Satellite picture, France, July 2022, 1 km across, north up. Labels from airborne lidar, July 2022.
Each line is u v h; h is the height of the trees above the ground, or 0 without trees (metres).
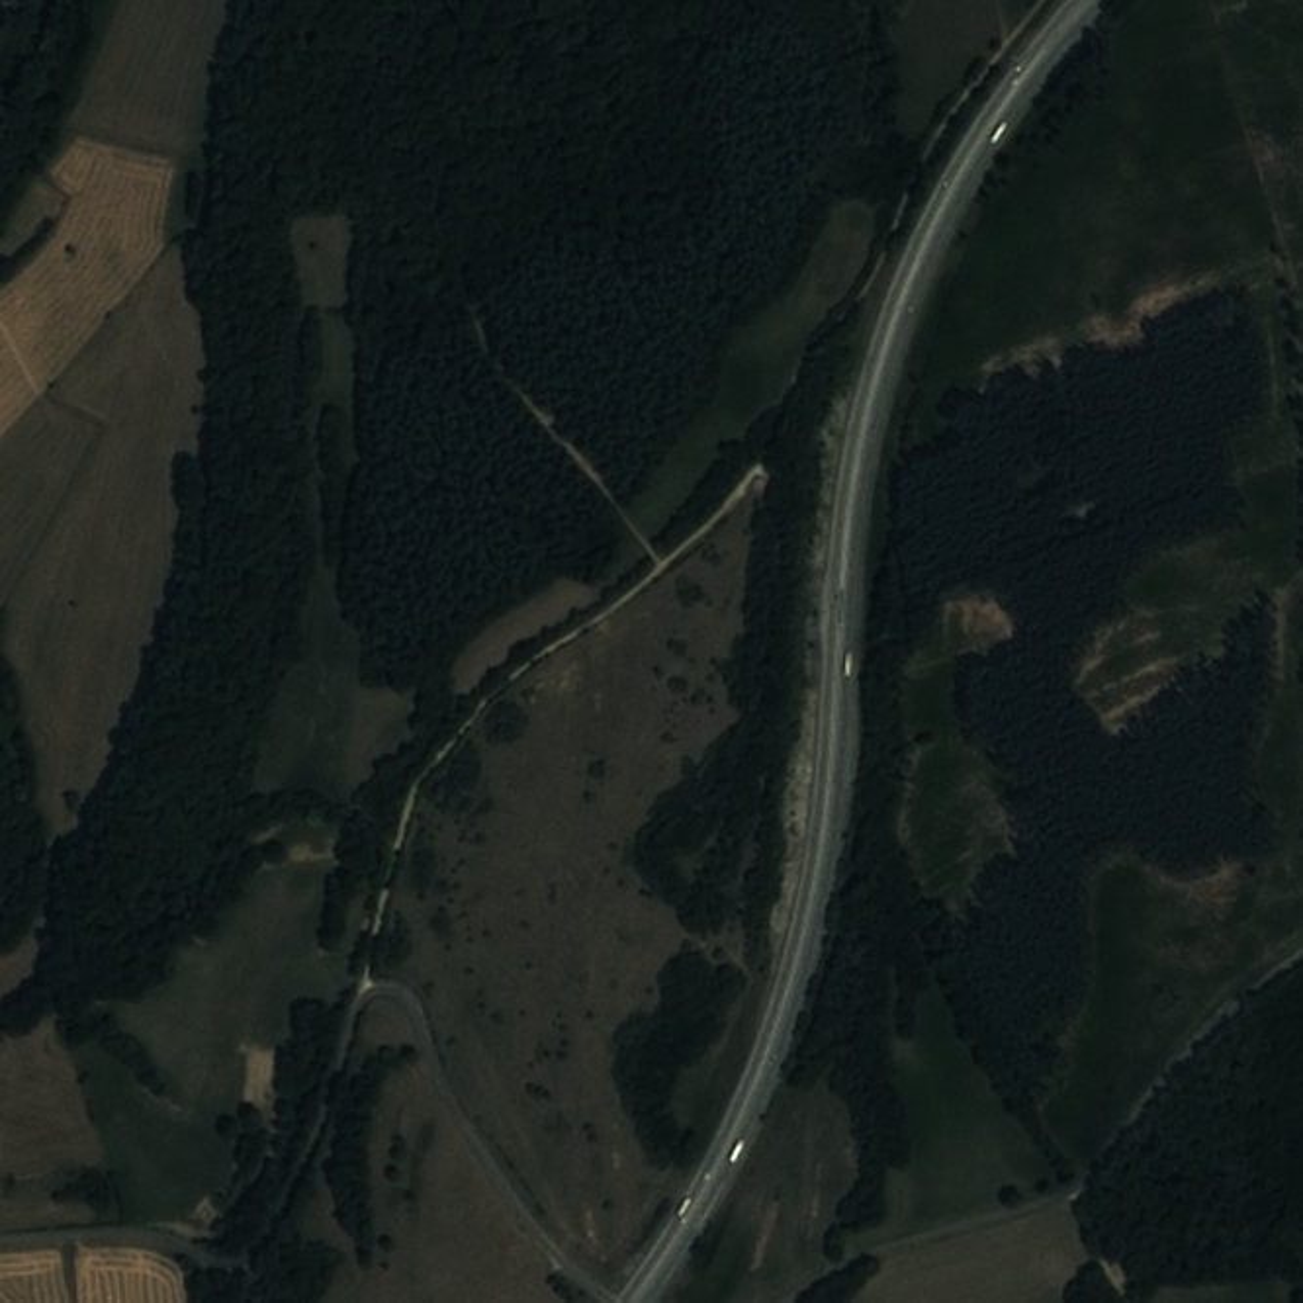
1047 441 25
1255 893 0
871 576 0
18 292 0
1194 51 0
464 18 28
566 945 0
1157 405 24
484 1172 0
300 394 17
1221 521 24
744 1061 0
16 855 19
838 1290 14
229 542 27
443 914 6
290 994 0
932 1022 0
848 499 0
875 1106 13
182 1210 0
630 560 0
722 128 32
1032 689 29
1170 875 25
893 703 19
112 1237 0
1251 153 0
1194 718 24
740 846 11
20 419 0
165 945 19
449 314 20
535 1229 0
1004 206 0
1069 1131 0
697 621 0
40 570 0
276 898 0
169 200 0
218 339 20
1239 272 0
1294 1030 12
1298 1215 17
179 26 0
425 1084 0
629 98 22
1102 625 27
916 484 27
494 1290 0
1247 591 0
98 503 0
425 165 15
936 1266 0
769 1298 0
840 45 21
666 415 31
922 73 0
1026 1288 0
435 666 16
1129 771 26
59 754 0
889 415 0
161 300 0
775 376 0
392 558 28
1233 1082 15
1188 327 26
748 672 11
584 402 35
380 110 18
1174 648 0
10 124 17
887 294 0
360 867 9
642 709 0
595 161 22
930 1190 0
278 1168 7
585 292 28
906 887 24
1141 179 0
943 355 0
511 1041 0
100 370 0
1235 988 0
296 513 15
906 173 13
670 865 11
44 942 15
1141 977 0
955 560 26
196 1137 0
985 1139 0
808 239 17
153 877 8
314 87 21
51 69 21
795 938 0
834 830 0
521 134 20
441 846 0
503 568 27
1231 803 26
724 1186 0
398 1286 0
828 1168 0
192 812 13
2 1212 0
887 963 15
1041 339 0
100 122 0
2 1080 0
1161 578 0
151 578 0
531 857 0
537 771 0
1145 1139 9
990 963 28
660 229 26
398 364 25
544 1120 0
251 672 10
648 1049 14
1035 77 0
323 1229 0
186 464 20
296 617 17
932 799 0
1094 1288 18
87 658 0
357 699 0
